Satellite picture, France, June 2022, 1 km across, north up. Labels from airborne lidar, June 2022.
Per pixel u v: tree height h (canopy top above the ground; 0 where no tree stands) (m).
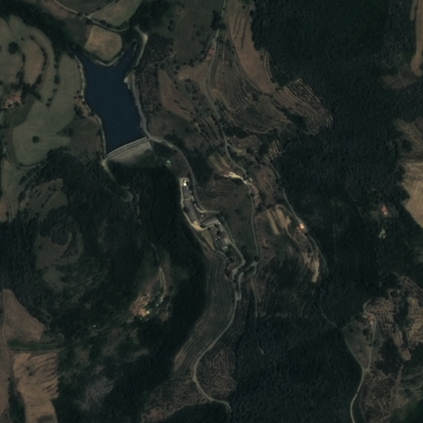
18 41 0
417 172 0
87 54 7
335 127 13
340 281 18
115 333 0
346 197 6
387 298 10
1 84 9
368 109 19
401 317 6
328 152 11
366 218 6
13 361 0
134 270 15
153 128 0
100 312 10
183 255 9
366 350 0
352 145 21
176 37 0
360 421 6
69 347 9
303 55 15
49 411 0
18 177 0
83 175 20
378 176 21
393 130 12
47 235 8
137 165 0
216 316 0
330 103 9
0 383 0
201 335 0
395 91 7
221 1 0
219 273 0
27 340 0
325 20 14
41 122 0
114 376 9
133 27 15
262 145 8
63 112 0
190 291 9
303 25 12
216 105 7
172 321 10
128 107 0
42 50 10
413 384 7
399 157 14
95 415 7
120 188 13
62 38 21
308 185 10
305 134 11
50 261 0
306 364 12
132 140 0
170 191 17
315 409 8
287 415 18
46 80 0
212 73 0
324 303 9
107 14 0
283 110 10
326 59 16
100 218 14
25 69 0
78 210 13
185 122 0
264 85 0
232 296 7
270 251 0
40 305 13
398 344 0
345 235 8
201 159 7
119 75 0
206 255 0
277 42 17
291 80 8
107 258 6
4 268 16
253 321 13
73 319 16
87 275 8
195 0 0
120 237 16
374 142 17
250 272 6
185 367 0
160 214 16
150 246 10
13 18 0
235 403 17
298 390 17
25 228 7
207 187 0
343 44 8
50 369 0
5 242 12
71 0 0
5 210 0
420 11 0
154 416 0
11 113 0
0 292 9
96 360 10
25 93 6
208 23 0
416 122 11
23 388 0
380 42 12
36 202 0
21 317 0
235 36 0
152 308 9
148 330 11
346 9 18
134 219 19
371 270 8
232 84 0
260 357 14
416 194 0
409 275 11
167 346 13
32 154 0
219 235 12
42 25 17
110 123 0
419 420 9
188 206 0
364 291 16
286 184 11
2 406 0
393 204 7
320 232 10
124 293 11
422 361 12
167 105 0
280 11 18
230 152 6
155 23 16
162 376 11
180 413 9
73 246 10
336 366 10
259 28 15
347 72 18
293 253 0
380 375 0
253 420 16
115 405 12
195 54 0
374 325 0
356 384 7
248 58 0
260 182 0
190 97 0
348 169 12
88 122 0
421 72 0
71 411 14
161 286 0
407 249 7
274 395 20
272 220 0
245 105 0
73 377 6
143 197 13
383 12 6
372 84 16
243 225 0
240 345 20
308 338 6
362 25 16
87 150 6
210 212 0
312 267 0
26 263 10
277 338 20
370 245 6
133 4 0
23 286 16
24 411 8
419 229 13
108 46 0
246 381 21
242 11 0
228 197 0
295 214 0
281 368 17
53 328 11
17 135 0
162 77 0
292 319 11
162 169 19
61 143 0
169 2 19
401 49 8
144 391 7
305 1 16
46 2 0
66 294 10
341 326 11
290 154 7
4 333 0
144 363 19
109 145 0
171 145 0
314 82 19
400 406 0
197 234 0
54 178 16
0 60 0
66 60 0
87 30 0
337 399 10
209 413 12
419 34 0
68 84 0
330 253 5
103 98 0
